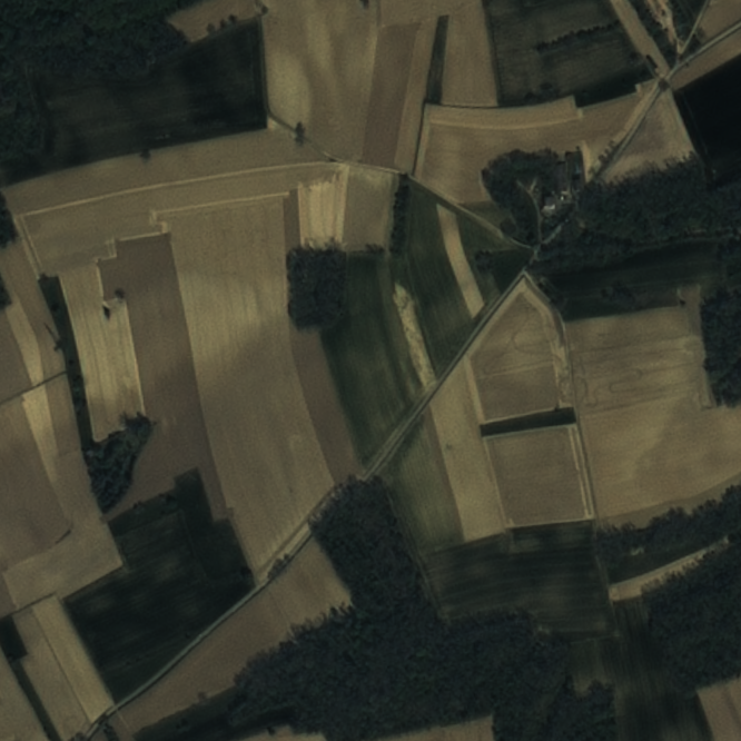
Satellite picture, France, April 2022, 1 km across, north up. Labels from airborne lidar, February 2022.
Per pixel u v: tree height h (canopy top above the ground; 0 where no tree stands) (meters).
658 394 0
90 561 0
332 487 0
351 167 0
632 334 0
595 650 0
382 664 25
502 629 29
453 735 0
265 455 0
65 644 0
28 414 0
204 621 0
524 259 0
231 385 0
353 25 0
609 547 24
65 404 0
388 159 0
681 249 0
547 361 0
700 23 0
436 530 0
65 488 0
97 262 0
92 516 0
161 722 0
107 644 0
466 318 0
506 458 0
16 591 0
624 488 0
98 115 0
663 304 0
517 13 0
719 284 0
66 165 0
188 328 0
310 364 0
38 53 27
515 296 0
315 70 0
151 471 0
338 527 18
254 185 0
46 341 0
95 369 0
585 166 0
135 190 0
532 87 0
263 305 0
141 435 31
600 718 26
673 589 19
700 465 0
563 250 18
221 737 0
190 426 0
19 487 0
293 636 0
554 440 0
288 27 0
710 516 22
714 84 0
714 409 0
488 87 0
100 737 0
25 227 0
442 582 0
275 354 0
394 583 21
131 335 0
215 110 0
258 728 0
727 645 22
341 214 0
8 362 0
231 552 0
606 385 0
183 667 0
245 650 0
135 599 0
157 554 0
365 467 0
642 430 0
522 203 9
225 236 0
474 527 0
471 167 0
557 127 0
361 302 0
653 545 15
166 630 0
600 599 0
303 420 0
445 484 0
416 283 0
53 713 0
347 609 0
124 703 0
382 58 0
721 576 21
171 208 0
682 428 0
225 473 0
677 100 0
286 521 0
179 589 0
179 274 0
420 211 0
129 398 0
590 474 0
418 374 0
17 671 0
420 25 0
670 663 22
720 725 0
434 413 0
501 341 0
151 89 0
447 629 23
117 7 26
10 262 0
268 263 0
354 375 0
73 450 0
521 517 0
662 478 0
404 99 0
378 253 16
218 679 0
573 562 0
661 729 0
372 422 0
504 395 0
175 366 0
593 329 0
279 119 0
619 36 0
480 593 0
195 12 0
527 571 0
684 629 32
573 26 0
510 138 0
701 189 25
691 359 0
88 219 0
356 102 0
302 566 0
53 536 0
